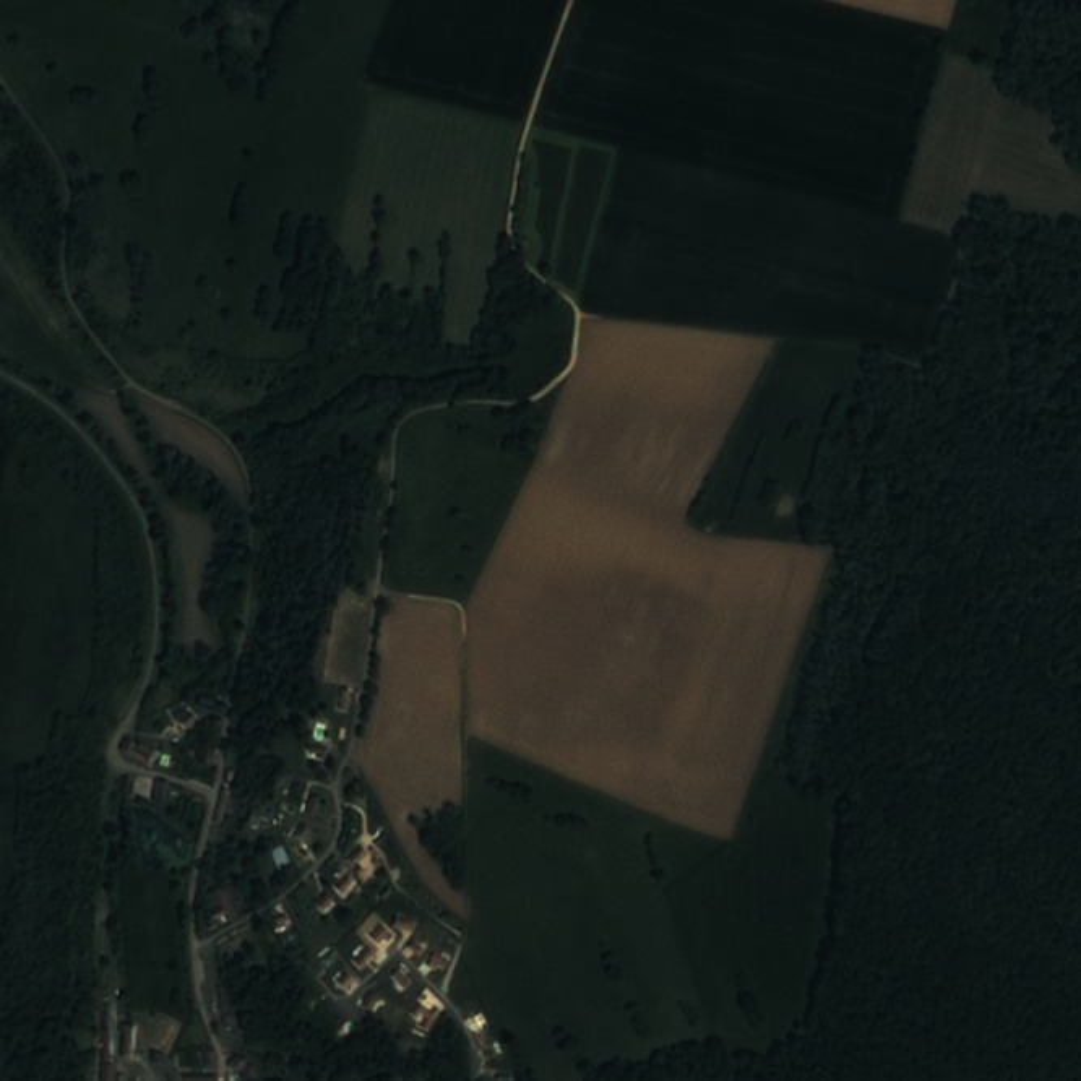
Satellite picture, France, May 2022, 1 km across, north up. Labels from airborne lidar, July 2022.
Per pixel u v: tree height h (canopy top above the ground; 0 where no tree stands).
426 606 0
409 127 0
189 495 20
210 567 9
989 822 16
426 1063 21
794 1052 16
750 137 0
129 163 0
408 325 8
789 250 0
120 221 0
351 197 0
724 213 0
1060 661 21
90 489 12
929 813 24
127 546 12
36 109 0
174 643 8
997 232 10
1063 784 19
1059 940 14
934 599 26
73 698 0
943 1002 18
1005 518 14
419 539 0
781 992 0
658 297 0
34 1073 16
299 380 14
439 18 0
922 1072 15
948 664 17
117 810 7
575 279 0
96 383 0
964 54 0
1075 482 13
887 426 17
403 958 0
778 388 0
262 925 16
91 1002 13
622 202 0
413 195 0
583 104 0
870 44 0
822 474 14
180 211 0
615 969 9
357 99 0
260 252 0
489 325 10
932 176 0
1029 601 21
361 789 7
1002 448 14
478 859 0
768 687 0
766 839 0
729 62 0
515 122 0
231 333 0
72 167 21
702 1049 13
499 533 0
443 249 8
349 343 17
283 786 0
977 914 19
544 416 0
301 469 10
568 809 0
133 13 0
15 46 13
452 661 0
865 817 25
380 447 13
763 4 0
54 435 12
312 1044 9
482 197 0
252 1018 13
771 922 0
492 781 6
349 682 0
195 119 0
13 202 8
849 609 12
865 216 0
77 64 0
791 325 0
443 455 0
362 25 0
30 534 0
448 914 7
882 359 15
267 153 0
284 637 22
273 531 9
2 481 0
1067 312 20
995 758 19
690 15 0
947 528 22
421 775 0
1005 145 0
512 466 0
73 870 14
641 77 0
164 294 0
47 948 6
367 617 0
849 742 26
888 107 0
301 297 10
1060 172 0
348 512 15
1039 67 26
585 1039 0
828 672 28
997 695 23
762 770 0
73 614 0
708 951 0
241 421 11
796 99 0
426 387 16
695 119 0
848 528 20
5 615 0
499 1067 0
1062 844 18
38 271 6
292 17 11
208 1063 0
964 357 13
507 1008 0
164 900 0
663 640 0
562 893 0
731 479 0
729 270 0
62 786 12
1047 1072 14
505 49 0
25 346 0
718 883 0
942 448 13
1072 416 14
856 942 20
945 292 0
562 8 0
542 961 0
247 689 15
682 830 0
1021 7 18
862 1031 16
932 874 20
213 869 7
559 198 0
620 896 0
